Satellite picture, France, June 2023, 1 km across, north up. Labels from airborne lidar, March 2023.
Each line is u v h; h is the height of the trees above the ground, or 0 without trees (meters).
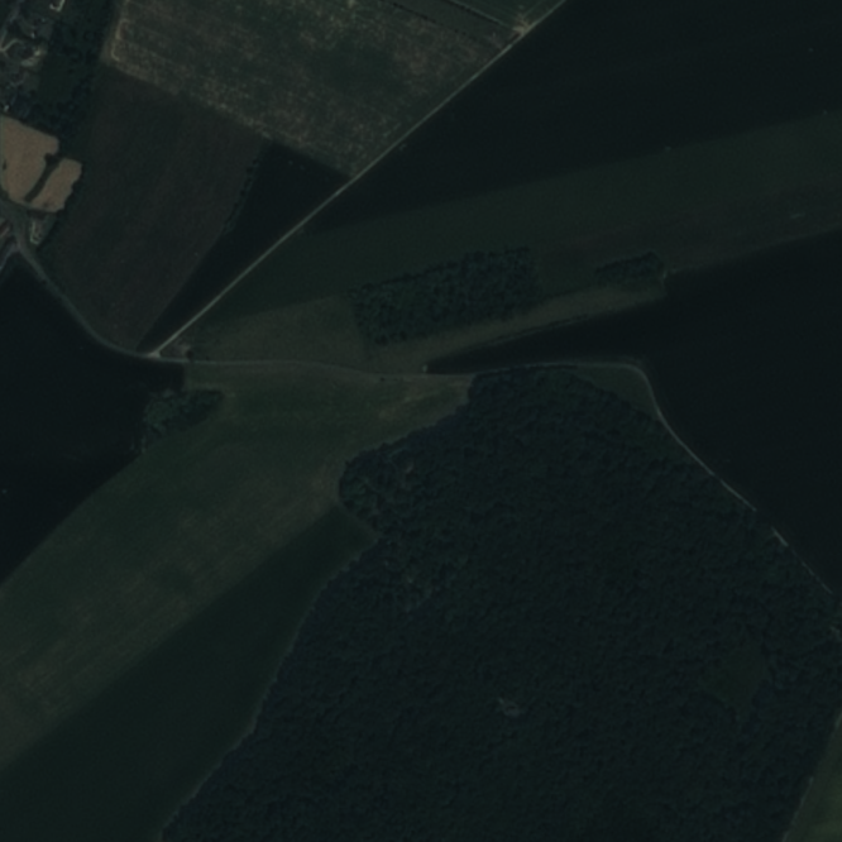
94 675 0
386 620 16
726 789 17
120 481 0
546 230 0
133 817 0
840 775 0
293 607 0
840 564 0
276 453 0
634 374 0
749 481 0
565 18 0
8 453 0
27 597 0
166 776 0
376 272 0
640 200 0
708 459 0
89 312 0
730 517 21
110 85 0
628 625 20
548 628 17
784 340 0
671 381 0
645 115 0
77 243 0
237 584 0
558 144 0
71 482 0
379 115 0
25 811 0
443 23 0
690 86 0
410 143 0
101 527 0
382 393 0
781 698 19
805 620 21
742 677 0
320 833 18
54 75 0
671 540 17
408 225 0
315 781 16
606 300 0
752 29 0
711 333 0
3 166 0
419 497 20
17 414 0
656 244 0
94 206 0
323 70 0
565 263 0
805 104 0
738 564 22
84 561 0
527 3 0
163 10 0
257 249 0
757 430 0
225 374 0
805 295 0
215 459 0
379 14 0
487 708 17
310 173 0
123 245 0
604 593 18
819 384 0
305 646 15
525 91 0
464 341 0
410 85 0
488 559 17
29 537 0
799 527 0
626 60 0
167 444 0
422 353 0
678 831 18
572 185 0
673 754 17
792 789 17
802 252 0
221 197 0
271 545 0
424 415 0
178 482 0
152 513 0
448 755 16
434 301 15
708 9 0
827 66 0
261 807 19
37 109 10
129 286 0
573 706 21
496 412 22
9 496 0
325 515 0
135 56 0
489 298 17
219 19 0
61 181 0
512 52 0
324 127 0
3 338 0
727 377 0
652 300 0
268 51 0
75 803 0
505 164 0
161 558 0
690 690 23
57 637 0
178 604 0
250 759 16
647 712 17
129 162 0
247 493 0
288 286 0
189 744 0
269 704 12
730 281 0
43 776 0
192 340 0
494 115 0
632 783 19
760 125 0
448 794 17
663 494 18
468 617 19
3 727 0
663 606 15
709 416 0
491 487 18
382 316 6
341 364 0
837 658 14
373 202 0
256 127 0
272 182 0
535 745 18
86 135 0
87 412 0
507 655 17
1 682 0
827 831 0
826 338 0
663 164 0
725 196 0
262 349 0
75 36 8
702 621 18
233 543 0
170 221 0
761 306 0
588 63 0
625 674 21
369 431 0
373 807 19
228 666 0
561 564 16
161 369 0
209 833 10
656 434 9
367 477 15
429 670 21
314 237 0
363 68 0
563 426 20
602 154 0
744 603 22
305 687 22
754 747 19
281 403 0
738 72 0
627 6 0
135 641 0
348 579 15
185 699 0
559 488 22
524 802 16
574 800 16
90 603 0
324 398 0
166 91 0
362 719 17
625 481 17
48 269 7
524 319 0
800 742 16
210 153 0
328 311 0
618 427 8
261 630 0
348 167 0
